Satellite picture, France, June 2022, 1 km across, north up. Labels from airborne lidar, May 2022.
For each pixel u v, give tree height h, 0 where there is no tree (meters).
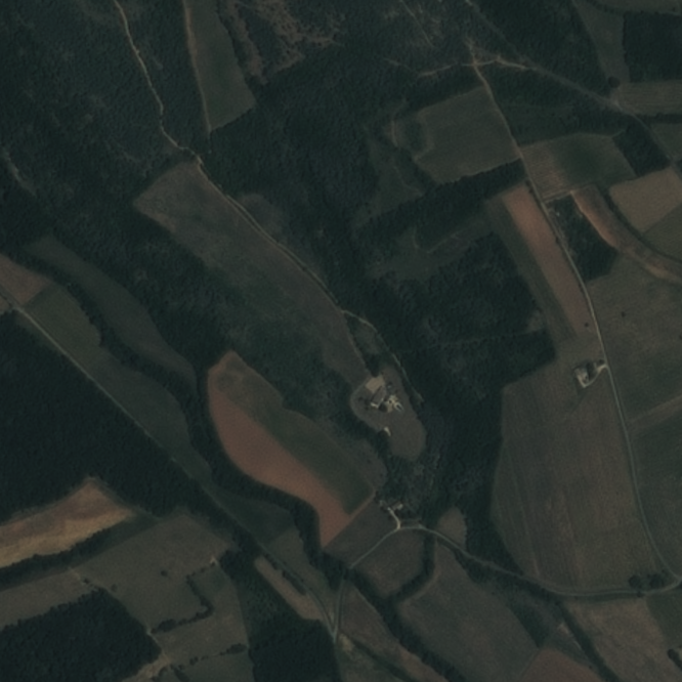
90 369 0
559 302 0
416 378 12
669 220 0
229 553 12
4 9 9
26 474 18
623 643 0
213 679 0
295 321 0
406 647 15
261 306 0
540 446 0
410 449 0
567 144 0
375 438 6
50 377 18
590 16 0
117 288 0
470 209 7
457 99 0
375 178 10
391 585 0
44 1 9
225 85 0
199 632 0
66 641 20
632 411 0
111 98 6
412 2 5
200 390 12
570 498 0
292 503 12
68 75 8
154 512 11
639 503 0
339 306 9
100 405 16
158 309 7
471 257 13
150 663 9
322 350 0
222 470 17
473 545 13
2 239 23
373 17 7
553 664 0
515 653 0
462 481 15
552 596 11
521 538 0
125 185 9
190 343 15
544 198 0
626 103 0
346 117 9
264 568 0
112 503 0
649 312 0
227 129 15
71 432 17
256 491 14
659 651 0
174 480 14
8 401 20
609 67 0
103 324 12
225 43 0
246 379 0
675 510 0
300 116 12
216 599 0
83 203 9
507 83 7
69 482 13
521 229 0
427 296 13
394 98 11
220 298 9
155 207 0
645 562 0
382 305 16
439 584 0
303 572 0
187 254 8
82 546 15
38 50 6
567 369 0
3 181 15
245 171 11
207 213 0
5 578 14
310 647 17
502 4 12
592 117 7
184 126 9
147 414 0
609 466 0
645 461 0
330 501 0
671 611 0
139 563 0
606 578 0
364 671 0
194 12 0
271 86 14
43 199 6
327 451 0
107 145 6
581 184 0
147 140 7
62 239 14
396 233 11
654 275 0
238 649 13
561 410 0
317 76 8
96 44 6
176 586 0
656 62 11
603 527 0
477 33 8
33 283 0
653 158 8
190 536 0
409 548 0
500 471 0
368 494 0
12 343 17
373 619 0
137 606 0
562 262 0
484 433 13
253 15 16
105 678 21
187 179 0
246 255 0
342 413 10
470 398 12
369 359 11
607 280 0
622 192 0
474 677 0
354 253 13
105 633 20
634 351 0
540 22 9
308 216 13
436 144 0
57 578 0
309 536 11
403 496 9
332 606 0
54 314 0
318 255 7
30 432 17
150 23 8
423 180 11
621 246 0
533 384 0
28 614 0
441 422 17
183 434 0
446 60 8
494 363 12
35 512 0
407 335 16
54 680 18
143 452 18
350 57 9
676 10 8
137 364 25
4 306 0
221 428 0
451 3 8
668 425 0
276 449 0
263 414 0
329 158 14
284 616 10
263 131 12
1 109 8
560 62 8
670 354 0
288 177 16
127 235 7
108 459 19
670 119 13
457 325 13
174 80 12
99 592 6
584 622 0
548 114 0
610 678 7
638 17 14
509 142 0
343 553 0
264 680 17
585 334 0
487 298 13
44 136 7
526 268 0
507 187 8
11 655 14
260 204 0
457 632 0
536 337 10
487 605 0
